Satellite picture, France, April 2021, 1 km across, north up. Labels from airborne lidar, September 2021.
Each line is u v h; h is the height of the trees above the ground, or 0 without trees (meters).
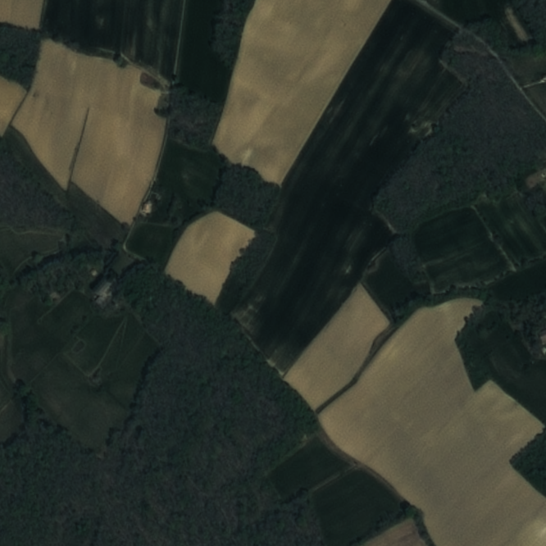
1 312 0
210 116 12
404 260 22
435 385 0
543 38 21
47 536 17
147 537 15
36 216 14
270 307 0
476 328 11
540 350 17
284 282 0
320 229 0
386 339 0
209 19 0
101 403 0
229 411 25
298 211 0
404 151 0
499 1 0
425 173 21
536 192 6
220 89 0
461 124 19
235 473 14
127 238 0
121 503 17
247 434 21
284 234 0
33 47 19
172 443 28
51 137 0
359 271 0
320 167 0
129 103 0
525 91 12
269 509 15
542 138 20
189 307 24
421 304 26
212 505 21
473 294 13
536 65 0
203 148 17
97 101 0
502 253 0
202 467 24
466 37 17
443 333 0
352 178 0
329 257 0
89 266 22
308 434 21
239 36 18
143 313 24
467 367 6
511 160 20
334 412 0
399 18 0
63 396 0
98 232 0
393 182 15
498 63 15
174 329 20
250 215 19
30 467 23
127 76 0
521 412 0
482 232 0
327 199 0
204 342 20
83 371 0
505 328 0
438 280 0
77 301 0
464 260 0
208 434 20
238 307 0
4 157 20
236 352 23
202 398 27
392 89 0
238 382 24
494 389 0
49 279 18
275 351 0
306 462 0
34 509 21
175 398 23
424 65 0
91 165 0
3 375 0
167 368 21
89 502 20
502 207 0
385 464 0
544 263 0
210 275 0
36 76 17
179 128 17
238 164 0
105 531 15
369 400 0
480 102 20
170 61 0
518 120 18
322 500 0
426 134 0
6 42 17
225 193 20
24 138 0
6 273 17
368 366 0
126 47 0
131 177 0
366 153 0
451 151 24
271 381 21
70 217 15
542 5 24
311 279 0
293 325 0
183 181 0
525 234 0
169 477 22
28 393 24
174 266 0
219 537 18
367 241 0
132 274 18
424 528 10
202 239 0
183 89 15
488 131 18
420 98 0
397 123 0
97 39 0
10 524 14
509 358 0
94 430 0
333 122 0
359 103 0
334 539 0
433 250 0
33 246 0
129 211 0
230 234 0
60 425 0
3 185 16
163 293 17
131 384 0
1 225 17
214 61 0
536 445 12
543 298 9
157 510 21
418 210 19
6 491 22
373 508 0
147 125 0
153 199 0
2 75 17
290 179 0
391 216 11
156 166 0
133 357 0
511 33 0
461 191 19
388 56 0
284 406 26
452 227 0
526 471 6
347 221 0
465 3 0
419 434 0
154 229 0
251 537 23
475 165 25
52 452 20
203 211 26
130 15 0
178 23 0
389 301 0
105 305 14
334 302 0
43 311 0
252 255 13
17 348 0
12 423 0
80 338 0
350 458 0
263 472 19
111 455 14
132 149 0
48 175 0
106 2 0
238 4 23
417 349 0
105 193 0
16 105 0
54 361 0
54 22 0
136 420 18
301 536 19
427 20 0
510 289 0
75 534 11
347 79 0
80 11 0
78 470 18
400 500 0
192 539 18
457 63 16
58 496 18
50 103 0
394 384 0
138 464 20
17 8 0
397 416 0
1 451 13
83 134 0
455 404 0
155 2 0
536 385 0
